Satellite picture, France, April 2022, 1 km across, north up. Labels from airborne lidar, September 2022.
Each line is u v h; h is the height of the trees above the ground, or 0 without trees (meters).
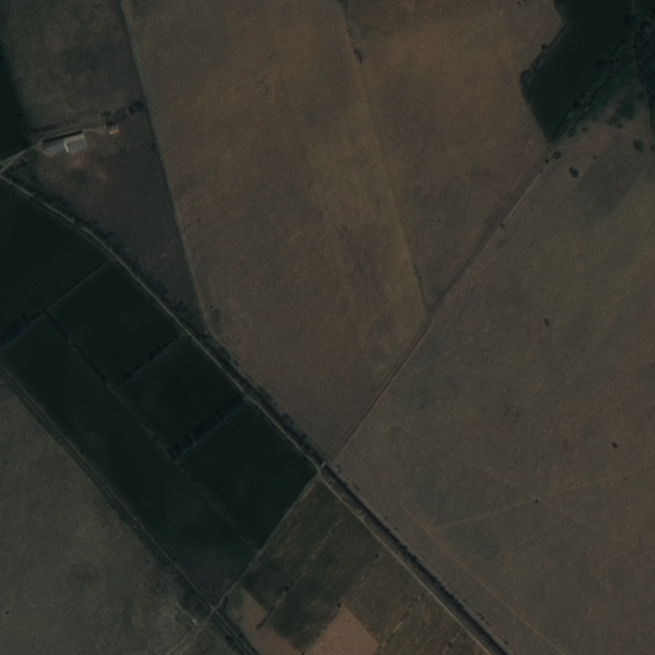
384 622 0
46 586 0
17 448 0
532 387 0
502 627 0
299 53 0
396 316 0
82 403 0
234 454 0
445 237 0
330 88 0
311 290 0
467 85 0
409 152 0
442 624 0
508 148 0
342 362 0
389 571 0
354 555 0
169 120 0
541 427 0
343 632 0
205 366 0
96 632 0
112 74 0
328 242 0
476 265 0
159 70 0
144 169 0
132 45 0
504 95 0
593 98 7
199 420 0
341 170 0
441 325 0
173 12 0
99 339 0
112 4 0
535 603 0
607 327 0
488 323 0
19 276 0
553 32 0
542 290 0
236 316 0
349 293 0
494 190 0
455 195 0
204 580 0
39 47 0
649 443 0
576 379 0
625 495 0
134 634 0
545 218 0
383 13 0
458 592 0
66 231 0
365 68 0
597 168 0
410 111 0
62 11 0
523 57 0
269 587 0
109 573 0
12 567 0
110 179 0
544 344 0
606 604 0
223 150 0
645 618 0
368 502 0
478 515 0
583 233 0
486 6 0
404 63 0
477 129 0
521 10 0
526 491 0
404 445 0
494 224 0
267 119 0
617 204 0
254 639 0
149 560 0
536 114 0
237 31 0
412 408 0
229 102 0
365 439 0
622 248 0
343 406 0
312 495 0
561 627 0
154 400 0
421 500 0
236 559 0
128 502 0
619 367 0
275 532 0
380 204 0
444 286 0
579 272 0
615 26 0
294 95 0
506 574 0
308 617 0
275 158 0
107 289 0
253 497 0
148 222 0
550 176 0
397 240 0
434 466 0
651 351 0
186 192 0
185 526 0
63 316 0
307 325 0
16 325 0
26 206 0
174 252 0
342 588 0
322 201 0
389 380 0
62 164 0
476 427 0
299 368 0
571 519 0
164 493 0
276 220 0
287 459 0
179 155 0
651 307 0
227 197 0
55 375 0
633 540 0
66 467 0
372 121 0
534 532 0
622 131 0
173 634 0
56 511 0
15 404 0
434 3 0
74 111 0
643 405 0
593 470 0
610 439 0
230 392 0
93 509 0
